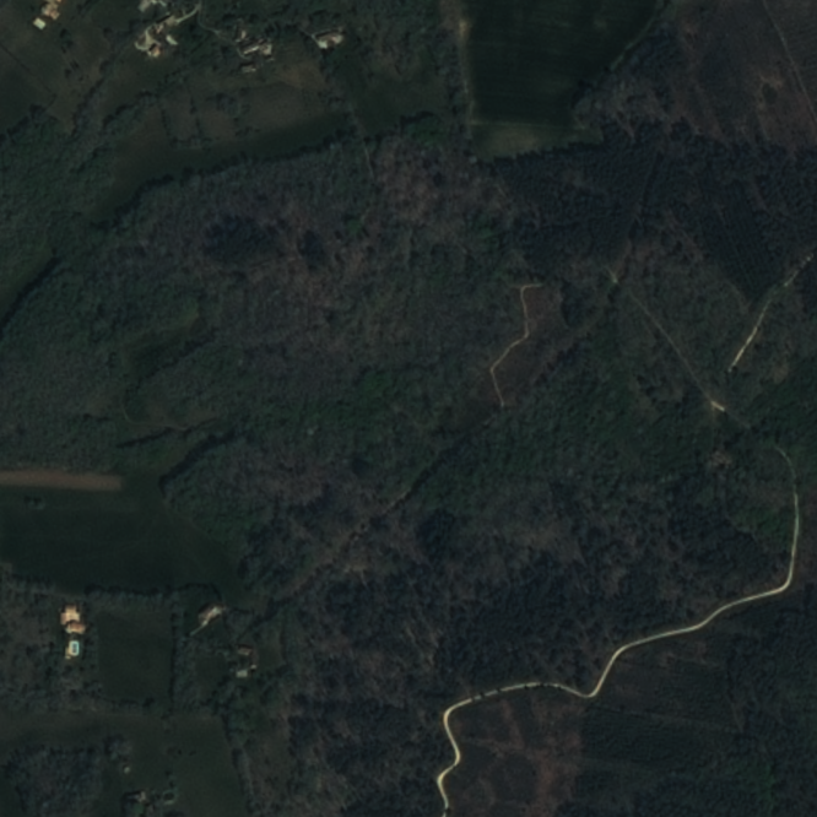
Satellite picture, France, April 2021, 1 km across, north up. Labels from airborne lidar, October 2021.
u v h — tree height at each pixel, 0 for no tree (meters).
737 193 9
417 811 17
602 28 0
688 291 8
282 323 17
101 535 0
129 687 0
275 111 0
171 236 12
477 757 0
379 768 17
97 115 17
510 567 20
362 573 10
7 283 17
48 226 17
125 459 17
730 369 13
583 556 6
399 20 20
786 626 21
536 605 17
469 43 0
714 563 22
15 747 0
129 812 13
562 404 8
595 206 22
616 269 13
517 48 0
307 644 14
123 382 13
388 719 16
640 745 10
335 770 15
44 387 17
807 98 0
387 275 9
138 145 0
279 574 16
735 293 11
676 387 9
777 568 9
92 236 21
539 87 0
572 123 0
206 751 0
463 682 14
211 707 7
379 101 0
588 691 22
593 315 15
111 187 16
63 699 15
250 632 6
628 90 16
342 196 15
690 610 8
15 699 12
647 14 0
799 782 23
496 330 20
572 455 19
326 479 6
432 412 25
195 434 15
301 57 0
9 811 0
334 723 24
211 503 22
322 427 19
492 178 15
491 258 14
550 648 12
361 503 18
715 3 0
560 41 0
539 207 20
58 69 0
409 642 24
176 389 14
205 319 21
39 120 19
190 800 0
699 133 7
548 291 19
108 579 0
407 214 12
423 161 8
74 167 22
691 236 19
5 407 17
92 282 16
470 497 17
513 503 12
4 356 18
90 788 21
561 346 9
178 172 0
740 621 13
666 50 24
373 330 17
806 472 22
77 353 13
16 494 0
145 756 0
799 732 27
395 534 21
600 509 17
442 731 7
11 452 17
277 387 19
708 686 12
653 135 22
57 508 0
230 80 0
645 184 21
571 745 6
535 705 8
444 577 16
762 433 10
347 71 0
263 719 0
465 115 13
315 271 19
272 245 19
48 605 18
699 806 22
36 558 0
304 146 0
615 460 7
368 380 23
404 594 20
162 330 24
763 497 16
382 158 16
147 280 17
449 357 16
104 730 0
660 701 7
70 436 20
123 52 18
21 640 0
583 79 0
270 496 16
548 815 15
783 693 23
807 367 12
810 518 6
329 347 10
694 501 15
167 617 0
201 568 0
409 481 15
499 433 17
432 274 19
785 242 22
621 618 15
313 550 17
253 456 20
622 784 16
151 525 0
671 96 20
